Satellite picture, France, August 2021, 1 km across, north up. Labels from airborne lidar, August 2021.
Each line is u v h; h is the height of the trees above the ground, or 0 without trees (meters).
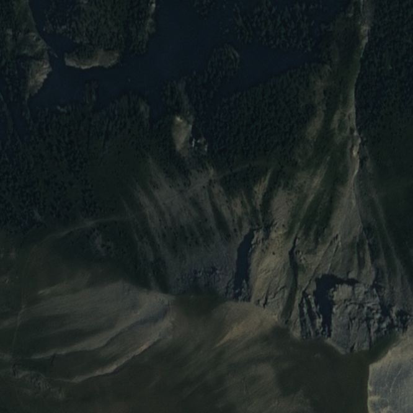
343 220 0
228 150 8
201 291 0
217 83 22
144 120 6
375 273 0
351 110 0
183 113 10
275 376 0
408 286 0
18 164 15
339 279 0
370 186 0
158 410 0
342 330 0
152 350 0
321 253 0
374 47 10
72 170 9
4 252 0
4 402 0
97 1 15
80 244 0
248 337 0
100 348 0
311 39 21
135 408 0
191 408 0
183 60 9
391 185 0
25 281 0
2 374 0
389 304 0
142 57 8
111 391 0
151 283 0
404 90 11
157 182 0
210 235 0
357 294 0
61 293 0
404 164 0
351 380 0
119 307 0
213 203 0
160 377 0
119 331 0
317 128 0
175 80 0
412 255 0
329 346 0
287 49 14
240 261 0
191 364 0
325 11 17
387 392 0
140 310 0
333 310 0
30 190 15
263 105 14
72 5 9
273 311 0
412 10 20
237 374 0
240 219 0
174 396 0
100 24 19
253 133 14
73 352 0
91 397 0
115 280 0
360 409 0
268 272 0
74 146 12
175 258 0
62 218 9
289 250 0
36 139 11
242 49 23
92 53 12
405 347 0
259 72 8
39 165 8
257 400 0
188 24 10
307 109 10
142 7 15
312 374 0
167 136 11
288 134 9
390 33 6
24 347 0
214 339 0
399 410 0
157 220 0
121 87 30
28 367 0
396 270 0
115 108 8
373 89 12
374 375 0
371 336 0
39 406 0
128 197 0
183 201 0
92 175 0
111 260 0
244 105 12
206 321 0
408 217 0
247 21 10
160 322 0
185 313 0
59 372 0
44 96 0
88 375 0
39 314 0
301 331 0
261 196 0
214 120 17
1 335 0
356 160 0
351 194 0
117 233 0
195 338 0
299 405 0
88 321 0
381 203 0
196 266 0
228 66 11
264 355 0
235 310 0
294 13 19
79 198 0
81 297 0
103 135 7
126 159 0
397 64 8
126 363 0
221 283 0
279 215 0
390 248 0
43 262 0
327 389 0
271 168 0
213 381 0
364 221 0
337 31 0
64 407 0
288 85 11
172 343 0
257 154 7
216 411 0
